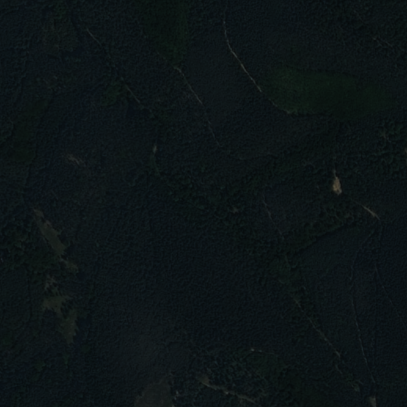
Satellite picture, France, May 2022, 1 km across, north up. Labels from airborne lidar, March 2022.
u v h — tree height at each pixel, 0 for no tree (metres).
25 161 25
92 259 36
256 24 23
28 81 23
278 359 12
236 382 20
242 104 22
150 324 8
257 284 32
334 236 21
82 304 33
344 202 16
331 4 20
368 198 21
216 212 17
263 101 21
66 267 31
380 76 15
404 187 17
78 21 30
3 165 30
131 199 17
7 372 22
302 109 0
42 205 32
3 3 27
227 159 21
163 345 11
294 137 29
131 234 19
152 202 24
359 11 23
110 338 13
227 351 10
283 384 13
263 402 9
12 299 21
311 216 21
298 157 16
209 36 17
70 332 0
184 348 13
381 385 16
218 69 16
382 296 23
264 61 22
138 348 10
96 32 34
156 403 0
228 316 26
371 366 24
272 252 0
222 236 27
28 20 26
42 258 31
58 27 8
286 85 0
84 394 41
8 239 32
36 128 26
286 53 18
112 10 27
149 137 37
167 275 18
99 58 31
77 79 34
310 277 15
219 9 17
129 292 14
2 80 19
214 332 29
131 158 28
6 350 24
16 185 34
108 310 15
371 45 19
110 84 29
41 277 21
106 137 30
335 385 24
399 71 23
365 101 0
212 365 15
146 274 15
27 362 34
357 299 17
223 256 34
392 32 17
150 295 12
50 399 31
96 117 28
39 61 30
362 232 15
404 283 22
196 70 17
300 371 23
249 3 22
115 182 35
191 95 21
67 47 7
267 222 19
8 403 32
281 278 20
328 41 25
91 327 26
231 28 19
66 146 29
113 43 24
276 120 26
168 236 27
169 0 0
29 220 30
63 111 25
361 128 18
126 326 11
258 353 8
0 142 18
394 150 18
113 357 12
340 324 15
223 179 20
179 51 0
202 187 19
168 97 19
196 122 21
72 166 27
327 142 0
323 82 0
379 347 19
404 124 16
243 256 24
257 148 27
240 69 19
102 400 24
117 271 16
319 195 16
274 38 18
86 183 26
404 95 18
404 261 24
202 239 26
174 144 19
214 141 23
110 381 19
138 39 26
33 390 28
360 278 19
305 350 22
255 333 26
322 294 20
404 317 23
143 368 10
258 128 22
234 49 19
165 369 12
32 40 25
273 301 27
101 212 33
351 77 0
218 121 18
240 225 8
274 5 12
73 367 36
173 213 29
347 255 15
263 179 24
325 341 23
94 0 29
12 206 18
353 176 16
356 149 19
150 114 23
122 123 27
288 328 31
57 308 0
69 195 25
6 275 18
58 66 29
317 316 20
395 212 20
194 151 19
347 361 26
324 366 18
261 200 17
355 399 24
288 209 20
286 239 20
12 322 26
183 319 15
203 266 30
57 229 26
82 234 31
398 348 23
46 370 28
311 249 21
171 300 22
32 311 26
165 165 18
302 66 20
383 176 16
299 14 24
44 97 27
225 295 28
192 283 24
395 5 18
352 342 13
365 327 20
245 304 32
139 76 26
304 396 17
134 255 18
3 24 26
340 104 0
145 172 20
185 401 14
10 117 24
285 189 20
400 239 24
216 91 17
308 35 25
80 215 29
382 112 16
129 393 15
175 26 0
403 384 6
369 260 19
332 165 13
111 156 29
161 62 28
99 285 20
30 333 28
